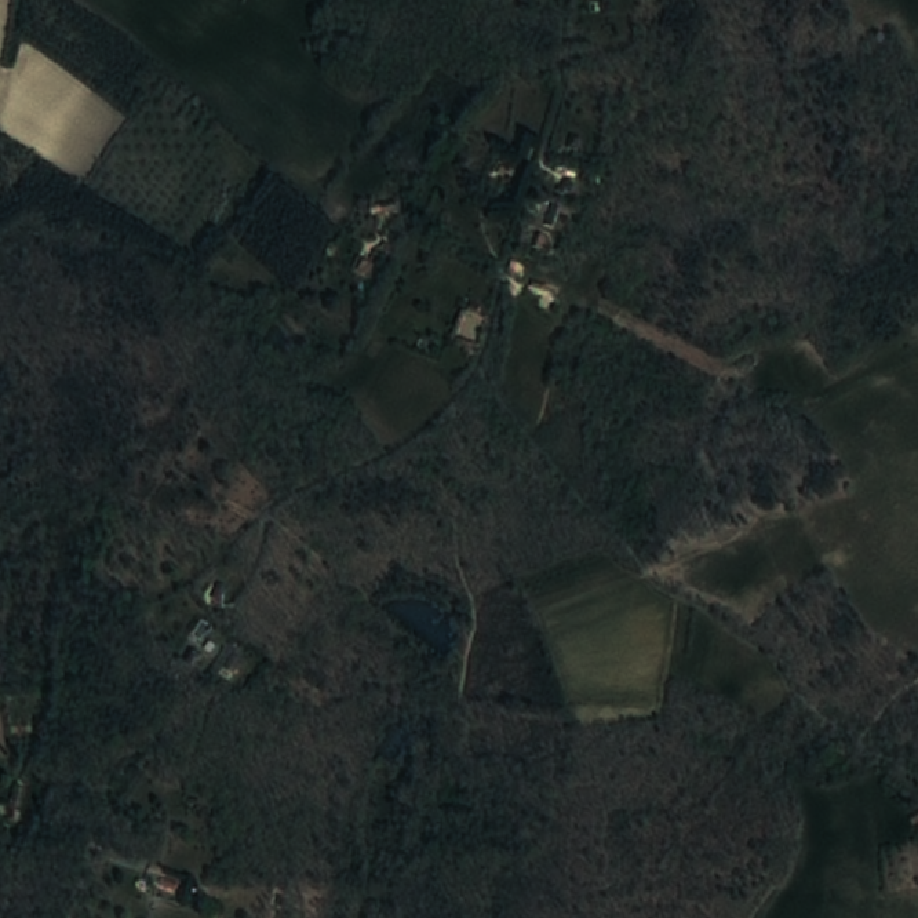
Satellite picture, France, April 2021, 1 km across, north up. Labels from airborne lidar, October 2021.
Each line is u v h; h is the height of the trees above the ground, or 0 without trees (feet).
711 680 0
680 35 35
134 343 52
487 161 23
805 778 74
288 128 0
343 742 59
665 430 52
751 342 72
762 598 0
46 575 63
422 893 56
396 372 0
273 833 77
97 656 0
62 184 52
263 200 63
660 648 0
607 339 46
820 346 68
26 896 39
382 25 72
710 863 63
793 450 46
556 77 64
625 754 44
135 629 72
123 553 56
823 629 63
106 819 41
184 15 0
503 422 52
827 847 0
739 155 66
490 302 38
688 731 36
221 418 61
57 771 71
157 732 66
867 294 69
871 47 50
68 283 49
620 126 52
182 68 0
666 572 0
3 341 41
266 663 42
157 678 71
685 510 46
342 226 20
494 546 49
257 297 62
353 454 56
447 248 43
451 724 58
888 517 0
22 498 41
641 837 29
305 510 42
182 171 20
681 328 50
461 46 67
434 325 0
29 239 52
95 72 37
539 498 48
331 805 64
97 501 59
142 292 59
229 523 0
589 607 0
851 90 79
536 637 24
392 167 46
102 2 0
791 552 0
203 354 48
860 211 68
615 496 59
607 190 47
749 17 55
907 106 55
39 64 0
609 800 46
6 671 60
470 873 63
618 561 41
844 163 66
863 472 0
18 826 22
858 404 0
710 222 46
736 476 51
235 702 54
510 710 74
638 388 67
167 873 39
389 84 48
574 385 54
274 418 66
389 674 50
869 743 32
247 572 44
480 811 77
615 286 61
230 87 0
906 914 0
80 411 35
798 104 58
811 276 46
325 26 71
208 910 82
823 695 42
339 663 59
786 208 56
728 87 44
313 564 60
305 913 37
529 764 38
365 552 69
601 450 54
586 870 39
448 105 26
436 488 52
